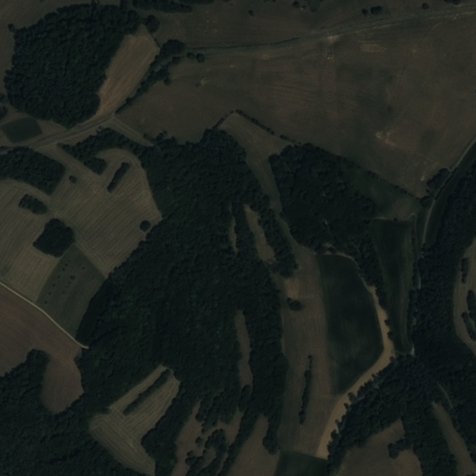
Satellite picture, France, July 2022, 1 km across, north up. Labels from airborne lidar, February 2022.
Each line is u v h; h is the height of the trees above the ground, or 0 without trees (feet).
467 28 0
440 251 85
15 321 0
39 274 0
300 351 0
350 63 0
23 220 0
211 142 72
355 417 98
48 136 0
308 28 0
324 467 0
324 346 0
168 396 0
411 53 0
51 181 49
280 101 0
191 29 0
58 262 0
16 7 0
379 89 0
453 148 0
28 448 59
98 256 0
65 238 49
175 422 56
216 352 65
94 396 44
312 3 0
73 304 0
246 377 0
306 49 0
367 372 0
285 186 100
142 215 0
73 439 66
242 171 88
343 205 105
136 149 25
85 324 21
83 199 0
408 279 0
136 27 43
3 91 0
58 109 80
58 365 0
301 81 0
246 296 70
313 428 0
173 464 51
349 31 0
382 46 0
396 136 0
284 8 0
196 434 0
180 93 0
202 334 68
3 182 0
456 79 0
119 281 54
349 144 0
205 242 99
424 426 85
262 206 74
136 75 0
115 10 70
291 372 0
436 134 0
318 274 0
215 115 0
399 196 0
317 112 0
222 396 34
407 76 0
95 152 63
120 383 58
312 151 61
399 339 0
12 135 0
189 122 0
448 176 39
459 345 48
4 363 0
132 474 63
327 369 0
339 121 0
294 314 0
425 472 46
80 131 0
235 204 56
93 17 40
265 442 41
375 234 0
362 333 0
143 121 0
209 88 0
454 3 51
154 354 30
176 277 57
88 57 40
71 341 0
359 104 0
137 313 52
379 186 0
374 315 0
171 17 0
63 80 56
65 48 52
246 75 0
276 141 0
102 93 0
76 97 64
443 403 23
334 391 0
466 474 0
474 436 68
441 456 79
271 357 34
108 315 62
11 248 0
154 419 0
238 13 0
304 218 100
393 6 0
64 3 0
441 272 77
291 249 66
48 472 44
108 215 0
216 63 0
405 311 0
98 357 58
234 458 32
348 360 0
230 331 58
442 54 0
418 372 94
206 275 73
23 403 69
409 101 0
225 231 85
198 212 56
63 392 0
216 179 80
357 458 0
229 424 23
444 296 59
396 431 0
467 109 0
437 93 0
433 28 0
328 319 0
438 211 0
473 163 0
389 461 0
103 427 0
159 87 0
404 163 0
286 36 0
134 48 0
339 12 0
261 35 0
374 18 0
